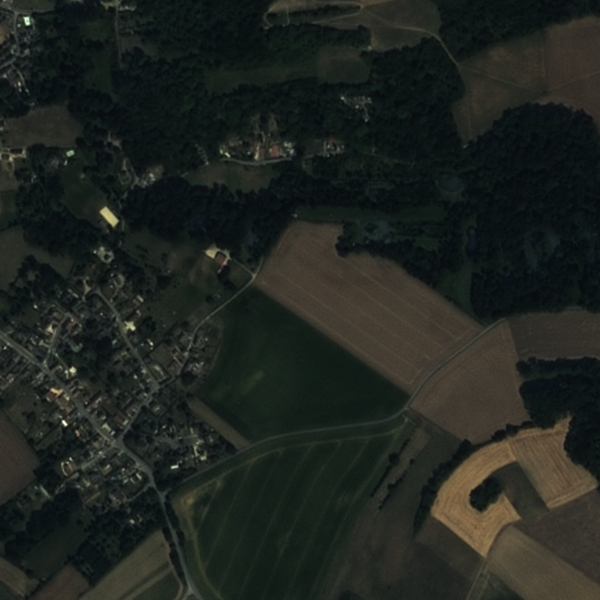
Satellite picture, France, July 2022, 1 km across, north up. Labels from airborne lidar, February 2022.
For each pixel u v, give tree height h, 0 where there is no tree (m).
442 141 21
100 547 6
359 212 0
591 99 0
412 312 0
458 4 7
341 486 0
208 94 16
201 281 0
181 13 10
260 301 0
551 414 25
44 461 11
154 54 0
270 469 0
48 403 8
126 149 23
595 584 0
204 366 0
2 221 0
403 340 0
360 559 0
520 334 0
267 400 0
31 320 0
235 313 0
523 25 20
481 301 19
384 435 0
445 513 0
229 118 17
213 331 0
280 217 32
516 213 22
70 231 19
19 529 0
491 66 0
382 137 21
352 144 23
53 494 11
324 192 19
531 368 18
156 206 34
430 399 0
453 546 0
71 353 11
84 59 28
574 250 19
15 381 0
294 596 0
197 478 0
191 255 0
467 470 0
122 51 0
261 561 0
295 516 0
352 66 0
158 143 24
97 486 0
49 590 0
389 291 0
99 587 0
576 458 21
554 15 13
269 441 0
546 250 7
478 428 0
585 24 0
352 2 0
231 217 33
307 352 0
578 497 0
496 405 0
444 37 8
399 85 14
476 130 0
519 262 29
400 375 0
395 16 0
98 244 30
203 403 0
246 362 0
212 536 0
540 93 0
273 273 0
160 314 0
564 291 35
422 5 0
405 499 0
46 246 12
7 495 0
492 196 9
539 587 0
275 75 0
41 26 7
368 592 0
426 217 0
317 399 0
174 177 0
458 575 0
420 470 0
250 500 0
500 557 0
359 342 0
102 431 0
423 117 29
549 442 0
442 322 0
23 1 0
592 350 0
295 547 0
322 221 0
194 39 16
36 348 0
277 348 0
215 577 0
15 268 0
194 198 34
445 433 0
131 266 14
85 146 16
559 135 34
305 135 12
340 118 25
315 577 0
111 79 0
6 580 0
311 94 8
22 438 0
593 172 29
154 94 27
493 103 0
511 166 35
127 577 0
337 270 0
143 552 0
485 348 0
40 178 7
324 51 0
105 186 7
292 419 0
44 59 18
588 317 0
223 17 14
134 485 0
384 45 0
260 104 26
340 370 0
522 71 0
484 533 0
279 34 17
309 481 0
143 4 14
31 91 7
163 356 0
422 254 12
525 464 0
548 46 0
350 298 0
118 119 29
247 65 7
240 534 0
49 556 0
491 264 20
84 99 27
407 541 0
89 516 0
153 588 0
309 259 0
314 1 0
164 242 0
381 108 20
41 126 0
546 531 0
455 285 0
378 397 0
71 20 28
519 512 0
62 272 0
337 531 0
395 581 0
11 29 0
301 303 0
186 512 0
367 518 0
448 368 0
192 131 24
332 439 0
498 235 15
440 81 19
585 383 24
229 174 0
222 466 0
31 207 17
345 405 0
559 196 23
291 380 0
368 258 0
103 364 11
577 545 0
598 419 24
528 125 34
